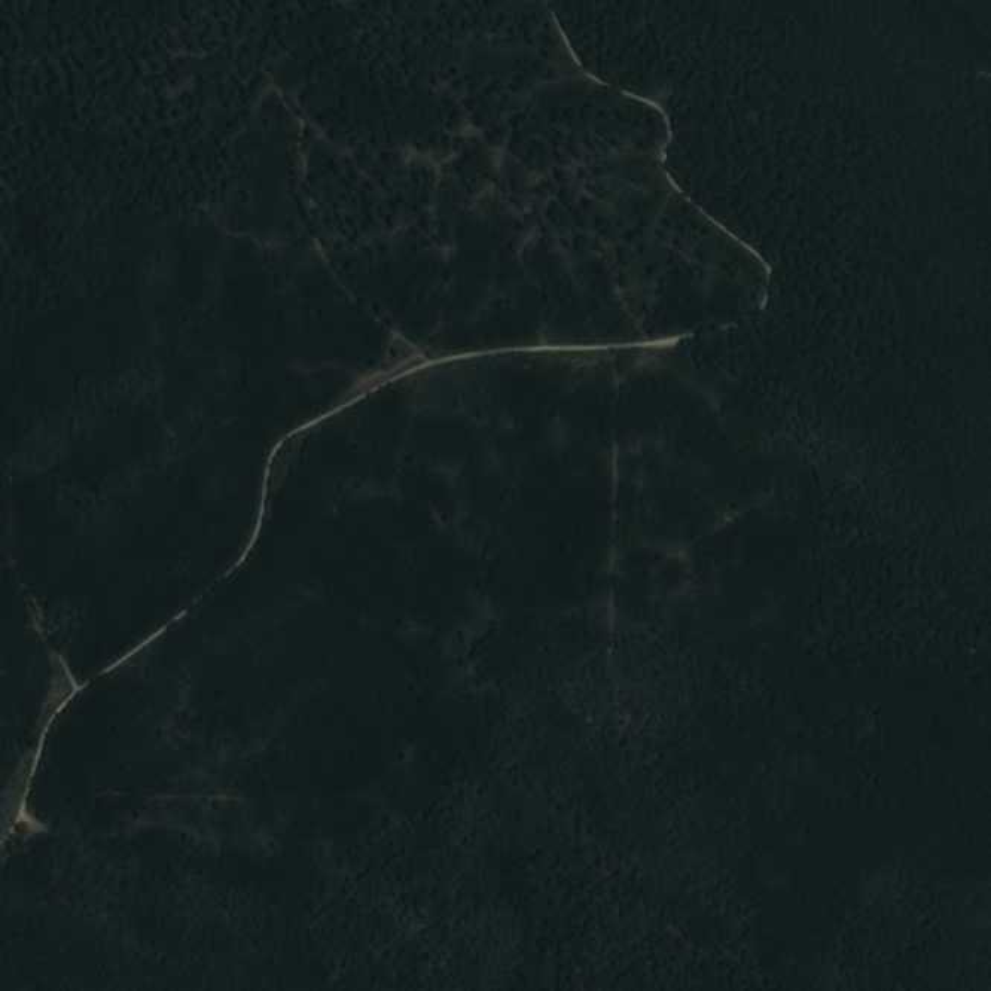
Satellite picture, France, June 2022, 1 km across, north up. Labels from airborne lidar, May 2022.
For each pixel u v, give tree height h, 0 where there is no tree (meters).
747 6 17
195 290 7
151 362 9
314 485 11
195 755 7
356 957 23
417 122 24
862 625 13
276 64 8
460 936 23
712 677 11
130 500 8
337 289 8
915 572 14
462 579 10
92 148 14
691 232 25
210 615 7
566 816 16
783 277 19
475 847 24
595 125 25
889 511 11
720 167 14
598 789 14
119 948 7
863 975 11
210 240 8
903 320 13
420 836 16
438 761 10
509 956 20
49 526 6
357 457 7
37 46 25
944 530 15
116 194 17
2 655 7
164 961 7
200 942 11
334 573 9
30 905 11
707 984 13
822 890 18
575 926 8
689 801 12
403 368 0
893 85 14
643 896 14
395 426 8
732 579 6
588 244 22
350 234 26
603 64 16
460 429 8
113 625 9
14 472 12
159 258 13
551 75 22
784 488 7
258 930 6
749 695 13
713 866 13
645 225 21
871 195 13
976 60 11
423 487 7
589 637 14
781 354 9
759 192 21
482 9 23
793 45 16
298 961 14
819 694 9
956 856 20
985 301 14
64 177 17
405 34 6
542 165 28
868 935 18
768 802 11
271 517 6
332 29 27
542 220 24
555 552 8
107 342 9
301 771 8
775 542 9
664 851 15
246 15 25
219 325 12
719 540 6
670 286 8
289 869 6
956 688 14
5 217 12
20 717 7
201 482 6
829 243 15
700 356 17
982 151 15
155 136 8
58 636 11
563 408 8
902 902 18
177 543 7
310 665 6
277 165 6
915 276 11
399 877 17
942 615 13
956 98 11
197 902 11
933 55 11
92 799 6
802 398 11
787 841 11
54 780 9
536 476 8
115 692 7
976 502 17
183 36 24
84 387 10
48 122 7
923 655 11
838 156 16
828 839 13
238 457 9
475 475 6
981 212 14
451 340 7
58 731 9
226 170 17
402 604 8
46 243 13
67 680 0
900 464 17
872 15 12
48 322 9
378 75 22
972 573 17
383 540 9
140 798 9
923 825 18
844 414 13
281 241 0
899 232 12
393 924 23
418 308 10
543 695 16
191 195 17
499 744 18
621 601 7
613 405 7
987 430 12
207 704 7
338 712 9
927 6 13
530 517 7
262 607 7
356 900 19
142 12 19
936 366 13
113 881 8
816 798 10
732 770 12
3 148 11
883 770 15
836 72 13
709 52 21
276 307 6
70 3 26
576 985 13
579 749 13
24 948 14
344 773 7
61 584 7
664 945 8
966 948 11
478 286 7
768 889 17
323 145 6
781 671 14
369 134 22
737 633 6
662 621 10
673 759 12
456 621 7
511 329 9
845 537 12
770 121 18
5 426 9
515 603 8
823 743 12
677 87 6
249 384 12
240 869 8
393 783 6
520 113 27
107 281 7
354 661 6
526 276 15
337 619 8
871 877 13
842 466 11
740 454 7
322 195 26
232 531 6
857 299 15
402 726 8
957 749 18
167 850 7
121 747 6
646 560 6
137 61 24
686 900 13
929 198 11
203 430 13
